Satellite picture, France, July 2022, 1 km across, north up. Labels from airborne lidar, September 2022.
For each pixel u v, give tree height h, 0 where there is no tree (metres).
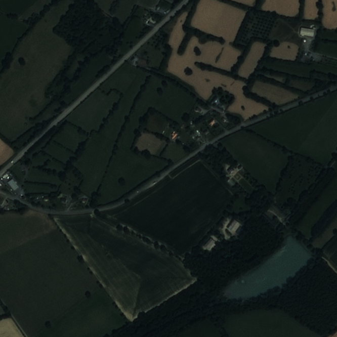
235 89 0
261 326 0
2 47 0
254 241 16
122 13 0
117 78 0
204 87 0
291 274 0
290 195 0
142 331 27
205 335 0
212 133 8
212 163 19
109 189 0
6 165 0
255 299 14
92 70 0
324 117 0
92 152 0
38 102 0
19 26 0
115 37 8
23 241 0
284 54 0
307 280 18
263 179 0
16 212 12
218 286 17
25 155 10
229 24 0
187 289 10
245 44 7
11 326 0
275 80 10
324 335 9
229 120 19
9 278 0
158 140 0
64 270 0
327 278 16
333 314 17
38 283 0
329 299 17
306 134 0
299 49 5
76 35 7
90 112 0
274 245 16
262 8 0
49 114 0
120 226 12
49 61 0
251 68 0
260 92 0
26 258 0
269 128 0
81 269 0
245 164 0
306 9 0
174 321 30
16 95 0
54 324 0
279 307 11
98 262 0
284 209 7
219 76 0
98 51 7
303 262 0
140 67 6
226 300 7
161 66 6
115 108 17
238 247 15
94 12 11
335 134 0
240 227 0
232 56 0
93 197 16
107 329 0
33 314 0
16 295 0
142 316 19
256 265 12
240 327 0
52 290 0
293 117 0
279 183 10
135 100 12
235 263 15
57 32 16
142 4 0
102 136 0
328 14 0
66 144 0
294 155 10
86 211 0
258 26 9
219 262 25
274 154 0
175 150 0
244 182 0
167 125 0
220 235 9
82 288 0
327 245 9
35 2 0
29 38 0
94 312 0
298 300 19
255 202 21
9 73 0
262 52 0
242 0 0
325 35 0
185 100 0
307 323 10
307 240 20
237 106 0
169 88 0
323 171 16
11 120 0
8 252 0
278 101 0
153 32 0
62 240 0
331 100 0
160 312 21
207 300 19
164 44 7
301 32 0
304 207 18
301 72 0
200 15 0
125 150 0
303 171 0
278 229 15
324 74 9
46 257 0
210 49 0
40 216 0
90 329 0
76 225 0
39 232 0
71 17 12
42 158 0
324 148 0
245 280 0
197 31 19
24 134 6
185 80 0
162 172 8
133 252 0
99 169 0
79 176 11
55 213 0
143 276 0
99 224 0
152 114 15
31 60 0
